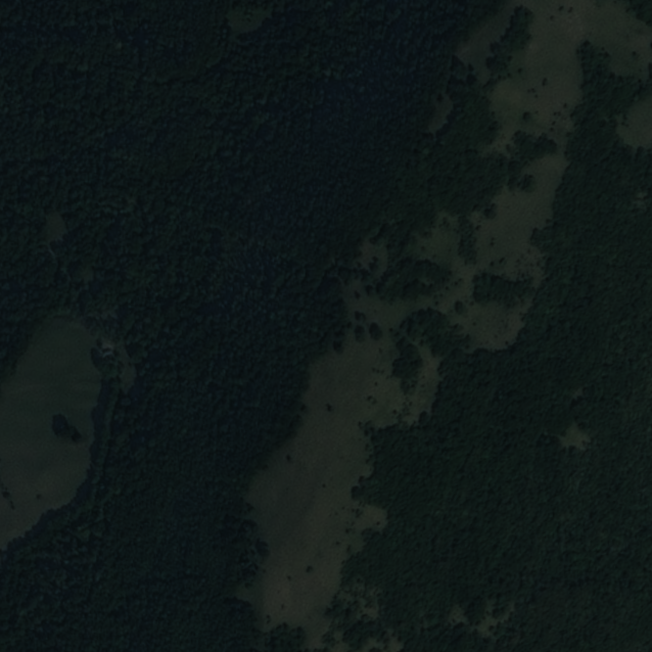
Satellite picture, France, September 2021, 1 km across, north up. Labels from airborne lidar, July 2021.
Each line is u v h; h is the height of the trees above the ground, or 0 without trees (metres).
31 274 21
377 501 18
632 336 13
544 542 13
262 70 16
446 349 19
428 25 23
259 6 11
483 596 11
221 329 23
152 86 23
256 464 20
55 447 0
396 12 30
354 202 24
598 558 14
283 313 23
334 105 18
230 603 12
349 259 18
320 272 18
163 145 30
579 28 0
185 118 31
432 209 22
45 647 28
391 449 14
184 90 23
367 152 21
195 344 20
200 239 22
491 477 19
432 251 0
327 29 18
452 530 23
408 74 21
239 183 25
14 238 20
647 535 18
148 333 14
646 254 16
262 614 0
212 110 21
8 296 27
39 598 30
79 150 19
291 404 18
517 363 24
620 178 18
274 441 18
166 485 22
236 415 26
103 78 27
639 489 15
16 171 21
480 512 24
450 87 17
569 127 0
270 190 21
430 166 15
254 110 16
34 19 31
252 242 22
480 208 9
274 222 28
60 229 0
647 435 13
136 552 23
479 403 20
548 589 19
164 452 26
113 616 26
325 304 19
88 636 27
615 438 16
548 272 10
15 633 24
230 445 29
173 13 26
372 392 0
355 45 20
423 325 16
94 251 25
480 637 13
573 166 7
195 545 12
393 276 14
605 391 19
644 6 24
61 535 20
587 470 13
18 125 18
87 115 28
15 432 0
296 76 16
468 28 20
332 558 0
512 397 24
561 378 22
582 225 15
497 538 20
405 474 22
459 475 13
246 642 17
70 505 0
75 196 22
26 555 25
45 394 0
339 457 0
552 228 9
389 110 24
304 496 0
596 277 19
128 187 21
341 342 14
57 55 28
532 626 21
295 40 25
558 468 19
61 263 10
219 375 24
